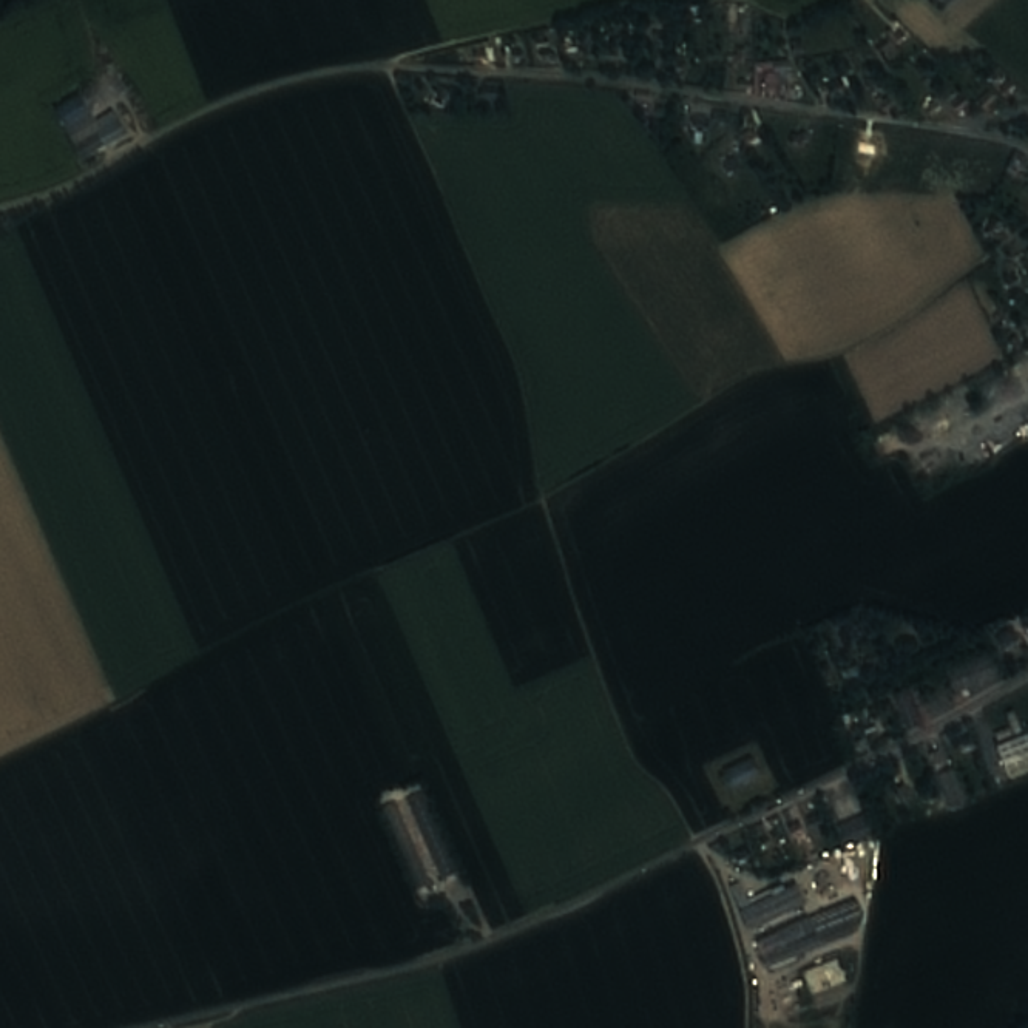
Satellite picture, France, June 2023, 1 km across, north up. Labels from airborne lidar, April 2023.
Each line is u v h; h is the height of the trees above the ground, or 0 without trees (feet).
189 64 0
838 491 0
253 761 0
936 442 0
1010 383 0
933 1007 0
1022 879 0
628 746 0
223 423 0
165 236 0
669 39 58
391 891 0
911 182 0
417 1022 0
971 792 28
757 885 0
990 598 0
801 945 0
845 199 0
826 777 0
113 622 0
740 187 0
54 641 0
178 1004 0
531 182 0
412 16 0
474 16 0
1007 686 0
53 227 0
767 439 0
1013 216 33
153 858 0
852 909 0
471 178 0
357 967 0
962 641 36
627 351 0
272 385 0
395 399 0
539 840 0
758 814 0
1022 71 0
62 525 0
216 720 0
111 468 0
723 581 0
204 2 0
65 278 0
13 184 0
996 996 0
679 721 0
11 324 0
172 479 0
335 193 0
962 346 0
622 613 0
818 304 0
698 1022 0
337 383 0
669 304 0
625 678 0
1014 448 0
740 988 0
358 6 0
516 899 0
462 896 0
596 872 0
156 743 0
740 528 0
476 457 0
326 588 0
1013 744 0
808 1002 0
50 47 0
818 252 0
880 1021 0
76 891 0
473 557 0
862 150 0
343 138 0
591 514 0
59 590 0
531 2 0
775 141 51
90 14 0
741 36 0
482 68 0
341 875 0
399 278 0
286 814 0
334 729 0
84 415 0
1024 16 0
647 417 0
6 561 0
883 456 0
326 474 0
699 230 0
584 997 0
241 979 0
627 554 0
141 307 0
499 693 0
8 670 0
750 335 0
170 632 0
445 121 0
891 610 44
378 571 0
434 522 0
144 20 0
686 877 0
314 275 0
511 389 0
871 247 0
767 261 0
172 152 0
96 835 0
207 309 0
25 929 0
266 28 0
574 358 0
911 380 0
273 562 0
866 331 0
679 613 0
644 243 0
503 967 0
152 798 0
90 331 0
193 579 0
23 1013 0
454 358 0
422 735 0
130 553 0
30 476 0
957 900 0
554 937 0
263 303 0
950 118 0
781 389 0
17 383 0
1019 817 0
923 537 0
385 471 0
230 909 0
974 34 0
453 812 0
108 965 0
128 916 0
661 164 0
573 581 0
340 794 0
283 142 0
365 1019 0
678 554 0
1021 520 0
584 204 0
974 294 0
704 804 0
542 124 0
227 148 0
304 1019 0
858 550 0
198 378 0
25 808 0
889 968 0
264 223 0
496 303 0
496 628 0
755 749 0
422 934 0
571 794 0
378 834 0
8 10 38
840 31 0
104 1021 0
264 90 0
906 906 0
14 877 0
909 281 0
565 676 0
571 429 0
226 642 0
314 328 0
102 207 0
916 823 0
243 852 0
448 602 0
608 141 0
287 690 0
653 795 0
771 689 0
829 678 0
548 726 0
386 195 0
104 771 0
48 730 0
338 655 0
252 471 0
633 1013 0
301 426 0
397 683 0
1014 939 0
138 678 0
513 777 0
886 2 0
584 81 0
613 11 45
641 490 0
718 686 0
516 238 0
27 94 0
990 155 0
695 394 0
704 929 0
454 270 0
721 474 0
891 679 39
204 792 0
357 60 0
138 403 0
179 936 0
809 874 0
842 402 0
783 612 0
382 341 0
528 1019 0
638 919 0
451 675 0
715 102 0
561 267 0
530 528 0
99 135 0
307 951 0
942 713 0
